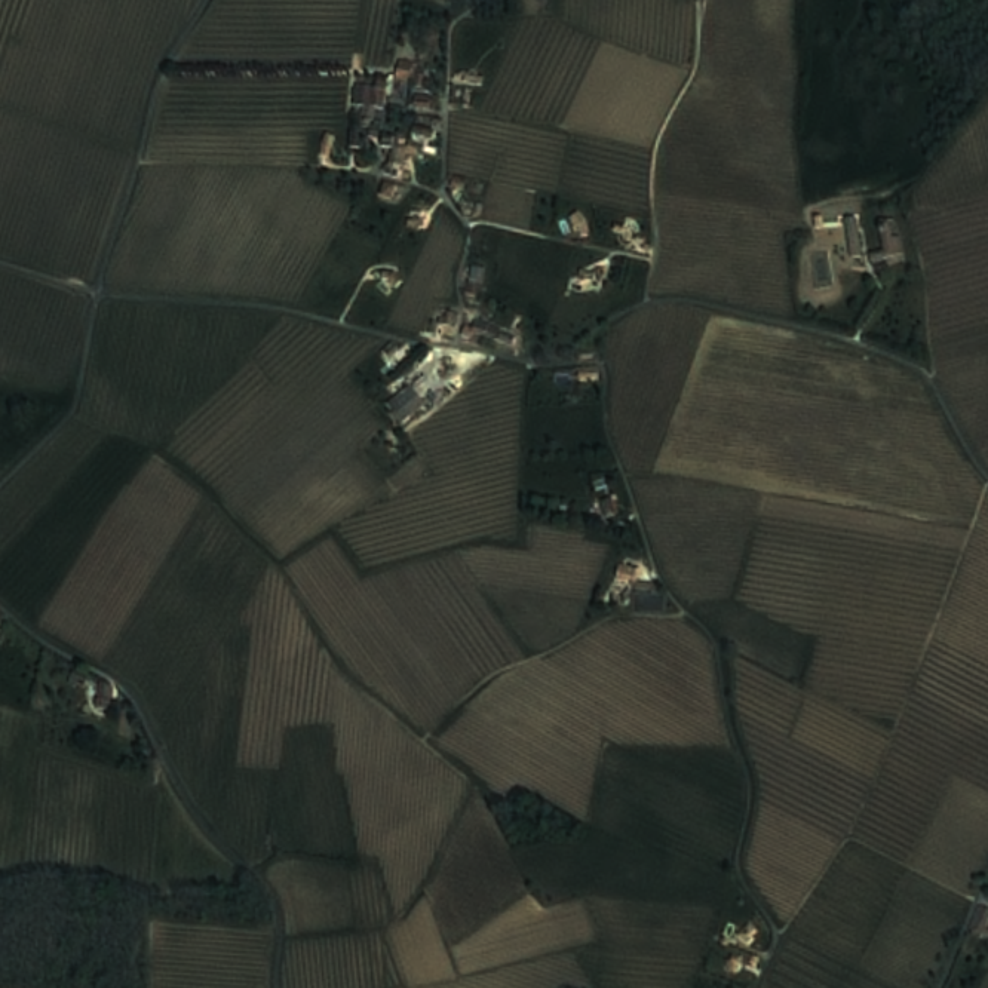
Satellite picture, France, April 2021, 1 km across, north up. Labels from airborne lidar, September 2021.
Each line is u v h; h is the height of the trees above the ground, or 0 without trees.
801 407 0
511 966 0
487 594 0
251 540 0
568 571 0
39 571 0
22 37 0
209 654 0
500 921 0
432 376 0
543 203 6
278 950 0
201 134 0
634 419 0
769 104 0
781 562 0
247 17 0
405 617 0
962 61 14
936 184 0
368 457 0
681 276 0
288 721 0
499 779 0
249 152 0
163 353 0
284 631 0
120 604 0
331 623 0
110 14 0
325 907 0
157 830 0
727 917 0
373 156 13
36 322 0
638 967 0
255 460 0
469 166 0
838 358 0
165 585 0
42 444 0
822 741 0
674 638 0
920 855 0
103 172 0
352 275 0
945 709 0
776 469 0
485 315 0
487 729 0
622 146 0
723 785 0
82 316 0
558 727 0
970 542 0
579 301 0
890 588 0
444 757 0
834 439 0
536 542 0
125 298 0
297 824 0
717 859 0
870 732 0
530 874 0
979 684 0
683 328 0
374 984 0
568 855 0
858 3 0
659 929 0
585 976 0
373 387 8
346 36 0
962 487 0
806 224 0
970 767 0
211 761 0
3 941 19
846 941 0
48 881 17
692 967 0
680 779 0
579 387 7
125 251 0
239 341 0
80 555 0
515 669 0
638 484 0
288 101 0
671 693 0
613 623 0
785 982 0
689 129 0
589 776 0
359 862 0
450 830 0
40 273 0
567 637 0
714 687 0
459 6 22
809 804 0
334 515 0
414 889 0
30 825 0
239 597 0
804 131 0
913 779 0
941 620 0
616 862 0
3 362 0
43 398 0
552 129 0
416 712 0
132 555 0
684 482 0
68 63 0
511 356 0
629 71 0
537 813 12
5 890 16
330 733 0
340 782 0
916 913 0
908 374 0
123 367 0
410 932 0
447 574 0
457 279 0
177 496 0
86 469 0
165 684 0
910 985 0
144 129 0
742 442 0
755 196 0
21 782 0
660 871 0
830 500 0
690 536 0
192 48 0
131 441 0
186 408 0
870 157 0
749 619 0
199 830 0
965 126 8
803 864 0
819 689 0
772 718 0
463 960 0
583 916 0
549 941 0
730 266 0
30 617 0
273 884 0
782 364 0
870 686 0
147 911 16
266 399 0
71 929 23
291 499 0
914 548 0
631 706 0
